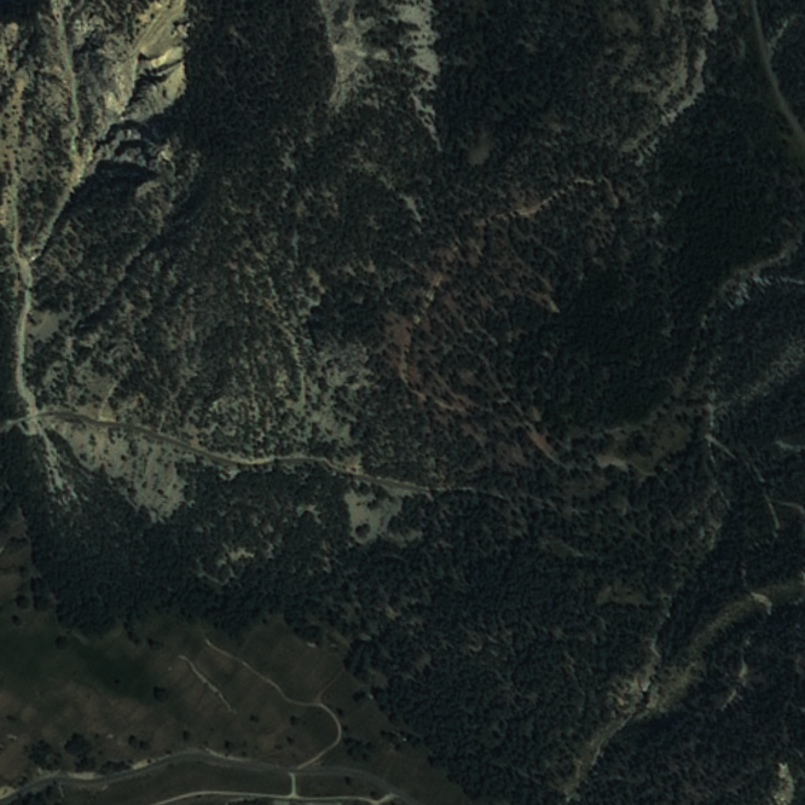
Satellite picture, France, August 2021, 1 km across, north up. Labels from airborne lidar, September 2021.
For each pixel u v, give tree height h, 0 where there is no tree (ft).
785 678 31
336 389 29
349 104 27
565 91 29
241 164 37
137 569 51
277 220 47
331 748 0
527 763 68
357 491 31
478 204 56
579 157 38
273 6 37
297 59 34
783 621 37
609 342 47
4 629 0
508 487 28
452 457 49
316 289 32
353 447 18
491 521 66
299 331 34
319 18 20
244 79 55
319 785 0
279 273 29
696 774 30
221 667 0
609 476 38
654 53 33
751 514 33
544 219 24
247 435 21
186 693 0
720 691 30
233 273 40
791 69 23
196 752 0
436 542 72
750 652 49
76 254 23
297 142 45
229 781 0
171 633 0
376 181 47
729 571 27
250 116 42
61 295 22
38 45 33
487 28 47
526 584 74
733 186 59
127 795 0
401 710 64
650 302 52
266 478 47
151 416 32
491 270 65
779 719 26
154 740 0
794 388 20
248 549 35
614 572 73
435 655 66
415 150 18
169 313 27
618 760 58
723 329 29
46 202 29
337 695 0
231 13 54
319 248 33
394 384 53
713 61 46
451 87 44
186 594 61
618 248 46
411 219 34
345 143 44
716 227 27
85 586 71
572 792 0
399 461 28
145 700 0
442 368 44
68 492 30
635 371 31
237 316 27
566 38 32
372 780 0
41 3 26
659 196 41
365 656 55
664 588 39
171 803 0
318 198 32
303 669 0
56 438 29
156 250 27
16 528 0
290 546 41
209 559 38
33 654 0
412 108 25
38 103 19
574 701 58
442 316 42
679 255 37
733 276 36
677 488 65
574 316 37
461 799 0
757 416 52
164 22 0
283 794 0
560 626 68
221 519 29
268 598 49
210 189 26
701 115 39
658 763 48
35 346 18
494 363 34
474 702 65
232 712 0
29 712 0
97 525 24
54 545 57
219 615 56
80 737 37
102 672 0
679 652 62
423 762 0
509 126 33
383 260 39
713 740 31
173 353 27
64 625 48
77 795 0
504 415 67
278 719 0
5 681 0
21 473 38
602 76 33
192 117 48
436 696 60
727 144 34
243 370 29
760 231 52
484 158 0
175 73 0
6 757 0
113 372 24
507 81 46
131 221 31
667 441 0
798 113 27
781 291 27
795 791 21
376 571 62
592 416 63
